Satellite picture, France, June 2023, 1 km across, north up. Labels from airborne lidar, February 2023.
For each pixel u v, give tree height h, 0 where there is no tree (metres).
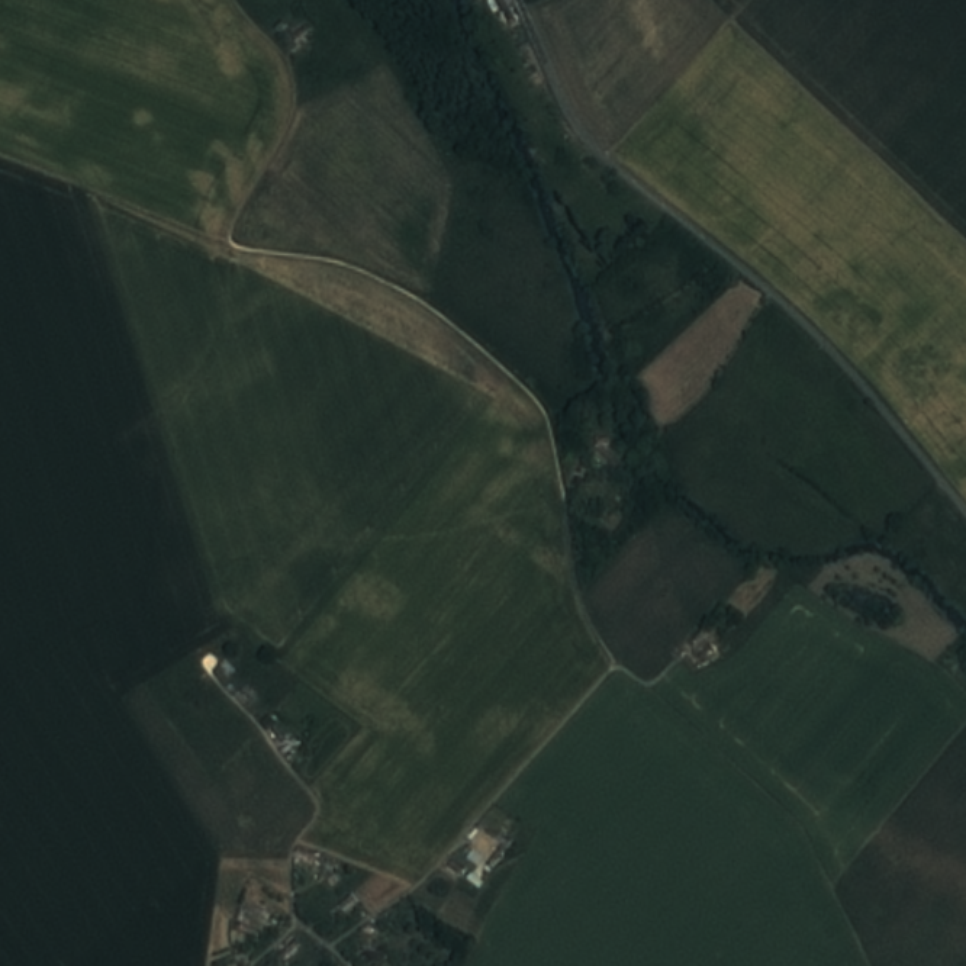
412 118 0
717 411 0
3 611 0
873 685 0
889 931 0
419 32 22
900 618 12
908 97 0
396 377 0
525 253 0
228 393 0
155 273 0
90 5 0
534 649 0
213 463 0
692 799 0
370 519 0
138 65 0
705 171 0
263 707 0
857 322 0
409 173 0
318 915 0
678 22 0
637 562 0
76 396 0
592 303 7
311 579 0
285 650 0
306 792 0
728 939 0
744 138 0
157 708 0
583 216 0
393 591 0
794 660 0
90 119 0
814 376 0
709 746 0
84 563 0
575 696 0
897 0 0
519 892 0
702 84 0
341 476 0
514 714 0
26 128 0
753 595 0
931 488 0
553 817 0
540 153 0
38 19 0
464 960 14
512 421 0
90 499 0
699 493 0
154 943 0
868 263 0
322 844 0
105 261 0
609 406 19
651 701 0
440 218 0
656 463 17
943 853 0
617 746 0
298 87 0
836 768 0
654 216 0
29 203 0
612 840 0
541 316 0
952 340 0
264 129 0
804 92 0
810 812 0
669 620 0
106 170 0
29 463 0
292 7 7
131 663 0
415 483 0
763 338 0
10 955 0
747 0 0
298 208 0
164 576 0
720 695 0
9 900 0
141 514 0
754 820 0
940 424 0
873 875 0
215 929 0
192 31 0
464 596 0
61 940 0
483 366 0
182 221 0
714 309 0
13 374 0
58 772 0
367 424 0
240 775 0
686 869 0
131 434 0
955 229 0
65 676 0
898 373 0
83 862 0
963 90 0
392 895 0
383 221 0
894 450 0
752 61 0
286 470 0
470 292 0
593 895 0
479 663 0
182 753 0
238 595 0
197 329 0
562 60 0
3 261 0
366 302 0
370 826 0
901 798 0
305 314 0
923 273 0
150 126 0
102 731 0
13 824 0
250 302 0
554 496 0
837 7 0
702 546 0
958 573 0
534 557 0
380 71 0
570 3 0
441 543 0
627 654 0
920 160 0
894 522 16
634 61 0
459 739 0
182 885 0
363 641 0
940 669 0
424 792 0
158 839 0
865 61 0
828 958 0
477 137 19
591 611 0
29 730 0
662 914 0
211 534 0
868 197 0
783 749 0
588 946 0
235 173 0
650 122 0
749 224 0
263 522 0
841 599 13
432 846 0
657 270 0
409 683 0
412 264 0
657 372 0
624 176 0
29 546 0
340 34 0
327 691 0
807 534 0
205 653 0
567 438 16
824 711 0
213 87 0
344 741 0
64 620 0
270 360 0
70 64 0
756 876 0
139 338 0
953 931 0
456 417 0
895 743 0
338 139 0
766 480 0
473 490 0
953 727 0
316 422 0
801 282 0
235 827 0
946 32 0
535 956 0
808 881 0
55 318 0
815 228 0
